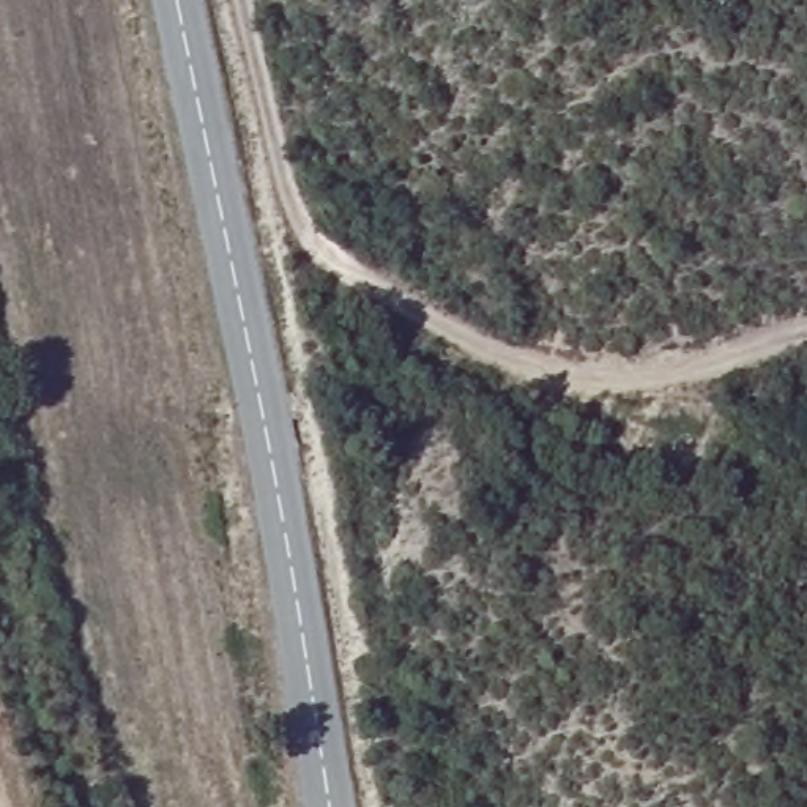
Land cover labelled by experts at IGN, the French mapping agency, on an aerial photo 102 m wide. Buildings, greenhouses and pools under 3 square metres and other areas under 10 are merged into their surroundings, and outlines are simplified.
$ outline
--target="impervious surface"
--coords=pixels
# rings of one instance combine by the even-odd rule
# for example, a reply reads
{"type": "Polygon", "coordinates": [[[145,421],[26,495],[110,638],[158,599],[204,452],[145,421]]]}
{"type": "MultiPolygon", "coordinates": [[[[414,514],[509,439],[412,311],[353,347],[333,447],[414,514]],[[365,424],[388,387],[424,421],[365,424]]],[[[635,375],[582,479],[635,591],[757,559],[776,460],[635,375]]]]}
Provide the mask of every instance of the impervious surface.
{"type": "Polygon", "coordinates": [[[164,73],[170,82],[170,104],[180,126],[189,192],[195,202],[195,224],[214,290],[218,325],[227,347],[230,378],[236,388],[233,422],[243,429],[246,463],[252,470],[255,489],[255,501],[249,501],[246,508],[252,517],[255,539],[265,542],[271,608],[274,640],[268,643],[274,649],[281,706],[287,709],[281,712],[277,728],[284,728],[290,753],[284,763],[293,769],[290,785],[299,807],[350,807],[353,788],[344,753],[344,722],[328,719],[325,706],[337,694],[331,678],[312,545],[299,495],[303,485],[296,473],[296,444],[290,432],[290,419],[296,416],[290,391],[284,388],[277,363],[205,0],[151,0],[154,22],[161,32],[164,73]]]}

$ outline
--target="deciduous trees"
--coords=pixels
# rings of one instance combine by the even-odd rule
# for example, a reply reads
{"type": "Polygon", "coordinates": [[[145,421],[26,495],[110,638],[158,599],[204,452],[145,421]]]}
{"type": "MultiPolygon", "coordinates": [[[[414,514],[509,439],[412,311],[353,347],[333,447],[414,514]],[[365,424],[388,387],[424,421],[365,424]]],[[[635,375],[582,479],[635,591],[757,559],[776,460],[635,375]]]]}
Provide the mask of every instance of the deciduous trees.
{"type": "Polygon", "coordinates": [[[16,416],[25,413],[25,404],[32,400],[25,344],[13,340],[9,347],[0,347],[0,416],[16,416]]]}
{"type": "Polygon", "coordinates": [[[618,501],[634,501],[643,508],[653,504],[656,485],[662,479],[662,444],[656,444],[624,448],[624,422],[612,419],[608,413],[602,410],[602,404],[580,400],[574,394],[564,394],[555,407],[539,404],[536,381],[514,381],[498,366],[476,363],[470,356],[454,363],[448,359],[448,340],[432,331],[422,331],[416,344],[400,356],[391,344],[385,312],[369,303],[369,293],[375,287],[344,284],[334,271],[312,262],[293,274],[296,315],[306,328],[303,347],[309,356],[306,394],[322,426],[334,495],[347,482],[356,482],[363,492],[369,492],[369,485],[385,489],[385,479],[397,482],[404,473],[410,473],[413,463],[394,457],[391,444],[381,438],[394,419],[416,419],[435,413],[441,416],[441,422],[435,429],[451,432],[451,441],[457,448],[454,482],[460,498],[485,482],[498,492],[508,485],[508,479],[514,479],[517,485],[530,489],[533,498],[561,508],[577,508],[577,495],[602,492],[618,501]]]}
{"type": "Polygon", "coordinates": [[[801,530],[807,530],[807,344],[798,344],[763,363],[731,369],[709,381],[709,400],[725,422],[719,438],[709,444],[709,454],[697,457],[690,485],[700,495],[700,501],[728,508],[741,495],[747,508],[757,508],[757,498],[766,498],[775,501],[779,520],[791,517],[801,530]]]}

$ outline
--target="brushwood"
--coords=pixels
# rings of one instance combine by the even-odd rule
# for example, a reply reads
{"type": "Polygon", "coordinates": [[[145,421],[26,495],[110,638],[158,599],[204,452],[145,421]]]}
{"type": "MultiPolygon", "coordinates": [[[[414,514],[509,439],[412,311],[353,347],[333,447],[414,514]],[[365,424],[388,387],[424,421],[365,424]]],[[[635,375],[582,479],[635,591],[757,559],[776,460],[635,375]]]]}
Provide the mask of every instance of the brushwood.
{"type": "Polygon", "coordinates": [[[381,438],[391,444],[394,457],[413,463],[426,451],[426,444],[451,441],[451,432],[435,429],[441,422],[441,416],[435,413],[416,419],[394,419],[381,438]]]}
{"type": "Polygon", "coordinates": [[[205,495],[205,533],[221,545],[230,542],[230,520],[221,492],[205,495]]]}
{"type": "Polygon", "coordinates": [[[577,495],[577,508],[561,508],[533,498],[530,489],[517,485],[514,479],[508,479],[508,485],[498,492],[485,482],[460,498],[460,517],[448,517],[435,504],[422,514],[422,523],[429,526],[429,545],[422,558],[400,561],[394,580],[385,577],[378,555],[397,536],[397,492],[422,492],[422,485],[410,473],[404,473],[397,482],[385,479],[385,489],[369,485],[369,492],[363,492],[356,482],[347,482],[334,495],[337,536],[350,571],[350,602],[366,634],[366,653],[356,659],[363,694],[356,716],[359,734],[369,747],[366,763],[372,766],[378,785],[375,807],[552,807],[542,794],[542,782],[549,772],[555,772],[561,738],[555,738],[526,766],[514,766],[514,753],[520,753],[533,738],[561,725],[574,706],[586,716],[596,716],[608,700],[621,703],[630,716],[624,747],[637,757],[634,779],[630,785],[621,785],[618,779],[602,775],[599,766],[583,769],[580,760],[564,760],[561,788],[571,794],[577,807],[807,807],[807,530],[801,530],[791,517],[779,520],[775,501],[766,498],[757,498],[757,508],[747,508],[741,495],[728,508],[700,501],[700,495],[690,485],[697,457],[694,441],[703,435],[706,426],[687,413],[659,416],[656,416],[656,444],[662,444],[662,479],[656,485],[653,504],[643,508],[634,501],[618,501],[602,492],[577,495]],[[580,634],[564,634],[564,627],[558,634],[549,634],[542,627],[545,612],[561,612],[561,586],[577,583],[583,564],[602,564],[602,574],[593,577],[586,586],[589,599],[583,621],[605,640],[621,637],[621,665],[589,649],[580,634]]]}
{"type": "Polygon", "coordinates": [[[274,775],[284,763],[290,753],[284,728],[277,728],[281,712],[271,712],[268,706],[258,706],[252,700],[236,703],[243,738],[252,757],[246,782],[255,791],[255,807],[274,807],[274,775]]]}
{"type": "Polygon", "coordinates": [[[608,413],[612,419],[624,422],[634,410],[643,410],[649,397],[634,391],[618,394],[608,413]]]}
{"type": "Polygon", "coordinates": [[[277,91],[281,123],[287,136],[287,161],[293,164],[315,230],[344,246],[363,265],[400,274],[419,290],[429,290],[429,296],[448,315],[457,315],[467,325],[511,347],[530,350],[536,340],[561,331],[564,340],[574,347],[618,353],[627,359],[640,356],[646,344],[690,353],[703,350],[716,337],[734,340],[747,328],[760,328],[763,315],[807,315],[807,0],[255,0],[255,32],[265,41],[265,57],[277,91]]]}
{"type": "Polygon", "coordinates": [[[38,501],[38,467],[25,470],[19,457],[13,457],[16,416],[0,416],[0,700],[16,750],[22,757],[38,753],[38,766],[28,772],[28,779],[41,782],[41,801],[35,807],[120,807],[126,801],[126,785],[101,782],[101,744],[88,706],[88,684],[69,649],[73,615],[50,580],[50,552],[44,545],[44,536],[32,523],[32,508],[38,501]]]}

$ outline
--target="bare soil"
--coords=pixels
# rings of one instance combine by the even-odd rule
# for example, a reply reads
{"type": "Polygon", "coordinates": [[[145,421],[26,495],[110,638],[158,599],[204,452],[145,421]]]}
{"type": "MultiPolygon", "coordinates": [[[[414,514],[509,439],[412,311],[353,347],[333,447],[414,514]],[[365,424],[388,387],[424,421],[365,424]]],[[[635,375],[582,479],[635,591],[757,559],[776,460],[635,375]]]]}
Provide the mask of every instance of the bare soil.
{"type": "Polygon", "coordinates": [[[350,571],[337,536],[334,495],[322,426],[306,394],[309,356],[303,347],[306,328],[296,315],[293,274],[287,265],[274,271],[281,284],[284,334],[293,363],[290,391],[296,416],[303,419],[303,438],[309,444],[309,492],[315,504],[315,523],[331,583],[331,612],[337,621],[337,659],[347,694],[347,722],[366,807],[375,807],[378,785],[372,766],[366,763],[369,747],[359,734],[356,716],[363,694],[356,659],[366,653],[366,634],[350,602],[350,571]]]}
{"type": "Polygon", "coordinates": [[[643,410],[634,410],[624,422],[624,448],[656,444],[656,416],[646,416],[643,410]]]}
{"type": "Polygon", "coordinates": [[[460,517],[460,498],[454,482],[457,448],[451,441],[426,444],[426,451],[413,463],[410,473],[422,485],[422,492],[397,492],[397,536],[378,555],[385,577],[394,580],[400,561],[422,558],[429,545],[429,526],[422,523],[422,514],[435,504],[448,517],[460,517]]]}
{"type": "Polygon", "coordinates": [[[596,716],[586,716],[574,706],[561,725],[533,738],[520,753],[514,753],[514,766],[526,766],[555,738],[561,738],[555,772],[549,772],[542,782],[542,794],[552,807],[577,807],[571,794],[561,788],[564,760],[580,760],[583,769],[599,766],[602,775],[618,779],[621,785],[630,785],[634,779],[637,757],[624,747],[630,716],[621,703],[608,700],[596,716]]]}
{"type": "Polygon", "coordinates": [[[709,454],[709,444],[719,438],[725,422],[709,400],[709,381],[681,381],[659,416],[687,413],[706,426],[703,435],[694,441],[697,457],[709,454]]]}
{"type": "Polygon", "coordinates": [[[545,612],[542,627],[549,634],[558,634],[564,627],[564,634],[580,634],[589,649],[621,665],[621,637],[605,640],[583,621],[589,599],[586,586],[593,577],[602,574],[602,564],[583,564],[577,583],[561,586],[561,612],[545,612]]]}

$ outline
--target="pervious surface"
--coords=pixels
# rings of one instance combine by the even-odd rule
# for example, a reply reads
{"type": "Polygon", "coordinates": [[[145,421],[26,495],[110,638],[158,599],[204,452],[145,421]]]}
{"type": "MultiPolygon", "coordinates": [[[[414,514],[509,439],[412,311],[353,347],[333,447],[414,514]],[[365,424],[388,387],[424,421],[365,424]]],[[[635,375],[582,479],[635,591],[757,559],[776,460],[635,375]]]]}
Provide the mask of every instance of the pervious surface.
{"type": "Polygon", "coordinates": [[[536,381],[539,404],[555,407],[564,394],[574,394],[580,400],[602,404],[602,410],[608,413],[618,394],[634,391],[649,397],[643,410],[646,416],[656,416],[659,416],[681,381],[709,381],[731,369],[763,363],[798,344],[807,344],[807,315],[763,315],[760,328],[747,328],[734,340],[716,337],[703,350],[690,353],[646,344],[640,356],[627,359],[618,353],[574,347],[564,340],[561,331],[536,340],[530,350],[511,347],[467,325],[457,315],[448,315],[429,296],[429,290],[419,290],[400,274],[363,265],[344,246],[315,230],[293,164],[287,161],[287,136],[281,123],[277,91],[265,57],[265,41],[255,32],[255,0],[218,0],[224,50],[233,69],[240,113],[249,129],[255,199],[262,211],[262,227],[271,243],[274,271],[287,265],[284,227],[290,224],[299,246],[312,255],[312,262],[334,271],[344,284],[375,287],[369,293],[369,303],[385,312],[391,344],[400,356],[416,344],[422,331],[432,331],[448,340],[448,359],[454,363],[470,356],[476,363],[498,366],[514,381],[536,381]]]}

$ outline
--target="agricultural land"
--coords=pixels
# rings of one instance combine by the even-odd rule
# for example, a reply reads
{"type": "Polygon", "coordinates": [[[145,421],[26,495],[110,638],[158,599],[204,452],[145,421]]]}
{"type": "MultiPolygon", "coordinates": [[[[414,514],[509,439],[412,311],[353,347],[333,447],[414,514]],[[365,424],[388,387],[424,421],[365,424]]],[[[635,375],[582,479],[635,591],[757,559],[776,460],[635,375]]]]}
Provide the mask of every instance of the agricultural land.
{"type": "Polygon", "coordinates": [[[186,448],[177,429],[183,422],[183,372],[189,369],[189,363],[183,344],[167,347],[161,334],[161,312],[180,318],[177,296],[154,296],[151,290],[139,189],[132,180],[123,113],[117,107],[113,88],[113,60],[123,57],[123,38],[117,28],[113,0],[0,0],[0,347],[9,347],[13,340],[25,344],[32,400],[25,404],[25,413],[16,416],[13,457],[19,457],[25,470],[38,467],[38,501],[32,508],[32,523],[44,536],[44,545],[50,552],[50,580],[73,615],[69,649],[88,684],[88,706],[101,744],[101,782],[126,785],[126,801],[120,807],[255,807],[255,791],[246,782],[252,757],[243,738],[236,703],[233,659],[249,653],[246,637],[258,637],[268,643],[274,640],[271,608],[265,605],[255,612],[255,593],[227,586],[227,580],[233,577],[230,542],[221,545],[205,533],[199,530],[195,504],[189,508],[183,498],[183,489],[192,485],[192,479],[186,448]]]}

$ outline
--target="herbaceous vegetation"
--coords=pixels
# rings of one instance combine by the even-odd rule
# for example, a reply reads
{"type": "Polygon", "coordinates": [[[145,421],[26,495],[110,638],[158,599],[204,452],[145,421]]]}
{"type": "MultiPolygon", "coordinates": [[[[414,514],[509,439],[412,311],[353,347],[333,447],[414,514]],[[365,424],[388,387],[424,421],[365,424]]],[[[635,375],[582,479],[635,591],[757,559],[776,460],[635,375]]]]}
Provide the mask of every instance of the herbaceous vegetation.
{"type": "Polygon", "coordinates": [[[299,246],[290,224],[284,227],[287,265],[293,274],[312,262],[312,255],[299,246]]]}
{"type": "Polygon", "coordinates": [[[233,577],[227,580],[227,586],[255,593],[255,612],[265,605],[271,608],[265,542],[255,539],[252,517],[246,508],[249,501],[255,501],[255,489],[252,470],[246,463],[243,429],[233,422],[236,388],[230,378],[227,347],[218,325],[214,290],[195,224],[195,202],[189,192],[180,126],[170,104],[170,82],[164,73],[161,32],[154,22],[151,0],[113,0],[117,28],[123,38],[123,57],[113,60],[113,88],[117,107],[123,113],[132,180],[139,189],[151,290],[154,296],[177,296],[180,318],[161,312],[161,334],[167,347],[183,344],[189,363],[189,369],[183,372],[183,422],[177,429],[186,448],[192,479],[192,485],[183,489],[183,498],[189,508],[195,504],[199,530],[205,533],[205,495],[221,492],[230,520],[230,542],[233,577]]]}
{"type": "Polygon", "coordinates": [[[290,419],[290,432],[296,444],[296,473],[303,485],[299,495],[312,545],[331,678],[337,694],[325,706],[328,719],[344,722],[344,753],[353,788],[350,807],[366,807],[347,722],[347,694],[337,659],[337,621],[331,612],[331,583],[315,523],[315,504],[309,492],[309,444],[303,438],[303,419],[296,416],[290,419]]]}
{"type": "Polygon", "coordinates": [[[271,243],[262,227],[262,211],[255,199],[249,129],[240,113],[233,69],[224,50],[218,0],[205,0],[277,363],[284,388],[290,391],[293,363],[284,334],[281,284],[274,271],[271,243]]]}
{"type": "Polygon", "coordinates": [[[252,700],[258,706],[268,706],[271,712],[281,712],[287,709],[281,706],[274,649],[268,643],[258,637],[246,637],[249,653],[233,659],[236,703],[252,700]]]}
{"type": "Polygon", "coordinates": [[[299,807],[290,785],[293,769],[284,763],[274,775],[274,807],[299,807]]]}

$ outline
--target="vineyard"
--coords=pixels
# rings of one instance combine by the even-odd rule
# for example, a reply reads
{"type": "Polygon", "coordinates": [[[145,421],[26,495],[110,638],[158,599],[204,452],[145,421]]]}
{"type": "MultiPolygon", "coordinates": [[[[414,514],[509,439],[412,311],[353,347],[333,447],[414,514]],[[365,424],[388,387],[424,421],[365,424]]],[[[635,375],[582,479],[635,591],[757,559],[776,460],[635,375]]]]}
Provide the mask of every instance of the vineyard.
{"type": "Polygon", "coordinates": [[[38,753],[22,757],[16,750],[0,700],[0,807],[35,807],[41,801],[41,782],[28,779],[28,772],[38,766],[38,753]]]}

